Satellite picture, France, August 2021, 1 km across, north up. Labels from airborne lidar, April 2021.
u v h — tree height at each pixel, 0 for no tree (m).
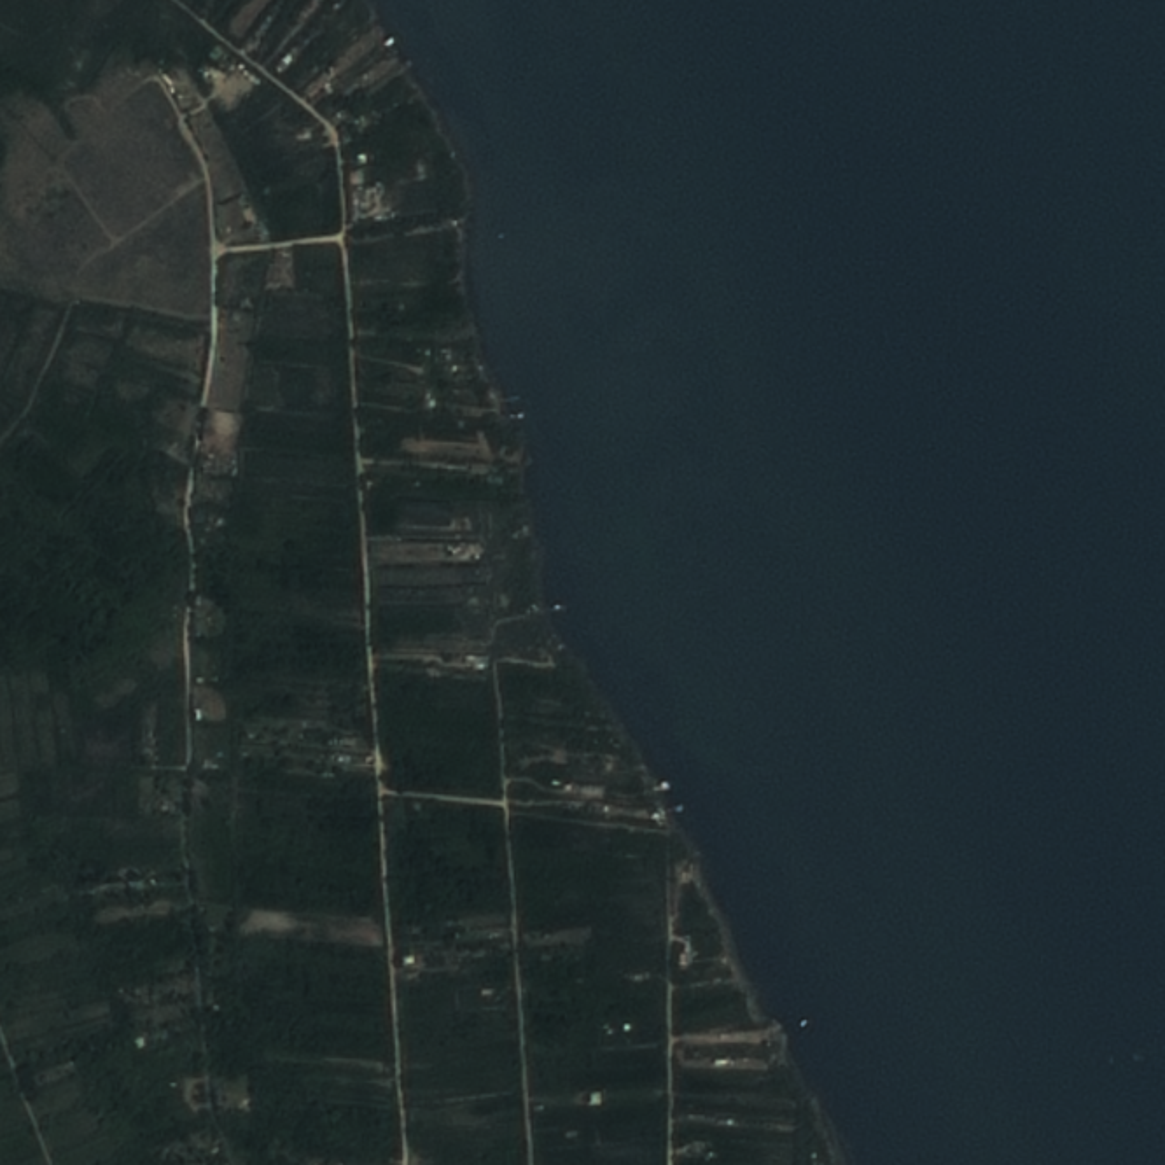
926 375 0
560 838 0
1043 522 0
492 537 0
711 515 0
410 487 0
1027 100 0
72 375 0
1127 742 0
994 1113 0
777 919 0
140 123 0
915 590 0
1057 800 0
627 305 0
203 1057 11
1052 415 0
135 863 0
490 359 0
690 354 0
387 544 0
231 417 0
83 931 6
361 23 0
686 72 0
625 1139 0
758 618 0
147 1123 7
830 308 0
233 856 0
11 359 0
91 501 9
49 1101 0
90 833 0
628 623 0
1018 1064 0
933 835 0
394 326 7
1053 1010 0
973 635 0
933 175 0
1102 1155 0
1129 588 0
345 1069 0
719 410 0
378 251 0
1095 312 0
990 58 0
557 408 0
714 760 0
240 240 0
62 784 0
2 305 0
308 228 0
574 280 0
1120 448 0
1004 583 0
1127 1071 0
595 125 0
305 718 0
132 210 0
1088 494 0
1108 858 0
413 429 0
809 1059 0
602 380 0
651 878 0
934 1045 0
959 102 0
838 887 0
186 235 0
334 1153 6
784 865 0
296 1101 10
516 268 0
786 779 0
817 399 0
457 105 0
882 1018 0
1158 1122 0
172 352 0
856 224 0
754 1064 0
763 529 0
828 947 0
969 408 0
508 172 0
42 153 0
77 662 8
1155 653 0
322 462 0
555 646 0
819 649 0
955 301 0
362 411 6
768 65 0
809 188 0
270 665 6
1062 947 0
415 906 6
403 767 8
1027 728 0
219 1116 6
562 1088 0
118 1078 7
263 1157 12
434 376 0
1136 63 0
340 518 0
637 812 0
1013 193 0
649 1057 0
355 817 6
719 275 0
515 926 0
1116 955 0
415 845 8
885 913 0
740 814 0
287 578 9
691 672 0
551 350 0
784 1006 0
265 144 0
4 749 0
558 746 0
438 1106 0
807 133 0
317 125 0
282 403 0
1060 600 0
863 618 0
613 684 0
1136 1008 0
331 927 0
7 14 0
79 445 0
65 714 0
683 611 0
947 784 0
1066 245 0
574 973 7
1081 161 0
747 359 0
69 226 0
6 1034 0
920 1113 0
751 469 0
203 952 6
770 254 0
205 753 0
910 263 0
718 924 0
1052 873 0
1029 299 0
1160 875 0
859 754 0
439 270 0
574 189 0
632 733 0
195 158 0
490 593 0
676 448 0
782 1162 0
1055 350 0
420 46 0
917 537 0
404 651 0
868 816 0
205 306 0
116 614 10
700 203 0
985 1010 0
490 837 6
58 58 0
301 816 0
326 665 7
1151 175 0
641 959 0
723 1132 0
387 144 0
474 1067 0
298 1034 9
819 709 0
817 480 0
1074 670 0
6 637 6
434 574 0
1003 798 0
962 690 0
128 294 0
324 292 0
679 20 0
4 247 0
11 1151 0
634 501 0
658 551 0
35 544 6
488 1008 0
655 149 0
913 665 0
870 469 0
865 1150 0
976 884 0
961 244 0
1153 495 0
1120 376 0
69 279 0
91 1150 0
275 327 0
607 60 0
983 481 0
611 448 0
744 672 0
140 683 0
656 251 0
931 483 0
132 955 7
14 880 0
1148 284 0
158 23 0
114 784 0
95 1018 0
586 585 0
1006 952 0
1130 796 0
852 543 0
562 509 0
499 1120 0
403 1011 0
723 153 0
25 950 0
